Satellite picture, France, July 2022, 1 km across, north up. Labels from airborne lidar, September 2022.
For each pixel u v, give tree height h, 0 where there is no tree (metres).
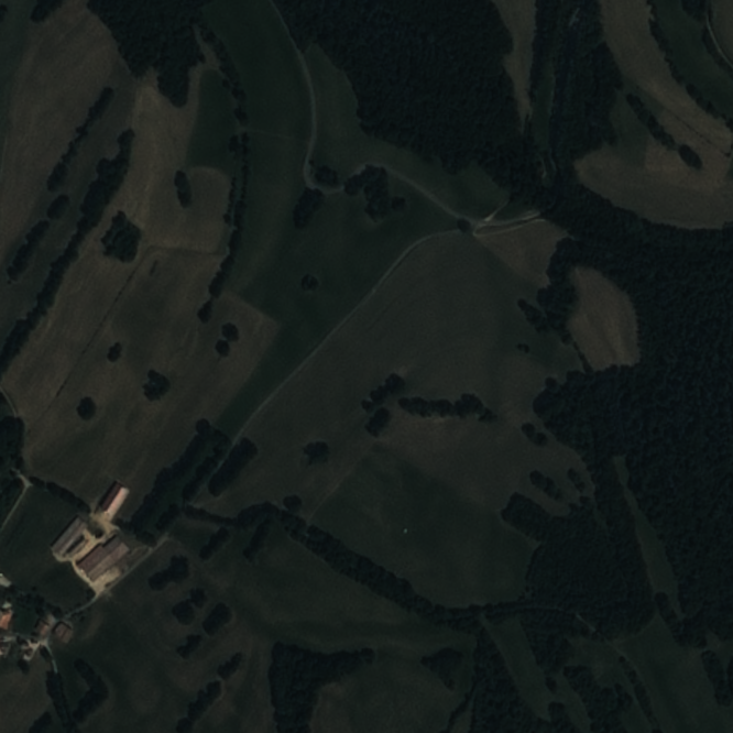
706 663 7
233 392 0
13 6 0
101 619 0
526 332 0
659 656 0
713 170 0
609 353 0
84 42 0
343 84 0
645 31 0
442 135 14
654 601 20
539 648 8
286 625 0
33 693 0
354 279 0
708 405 23
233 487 0
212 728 0
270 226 0
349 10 20
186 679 0
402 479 0
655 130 19
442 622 17
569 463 0
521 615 10
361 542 0
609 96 20
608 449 11
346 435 0
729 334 22
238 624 0
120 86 0
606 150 0
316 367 0
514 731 12
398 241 0
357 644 0
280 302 0
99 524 0
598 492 10
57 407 0
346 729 0
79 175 0
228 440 16
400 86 25
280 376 0
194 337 0
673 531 8
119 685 0
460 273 0
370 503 0
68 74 0
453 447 0
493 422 5
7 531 0
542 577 11
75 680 0
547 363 0
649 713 9
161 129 0
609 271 14
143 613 0
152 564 0
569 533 11
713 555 9
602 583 11
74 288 0
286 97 0
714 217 0
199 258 0
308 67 0
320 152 0
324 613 0
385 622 0
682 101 0
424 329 0
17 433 16
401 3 23
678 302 9
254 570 0
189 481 0
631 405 30
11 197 0
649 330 12
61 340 0
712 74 0
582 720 0
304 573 0
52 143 0
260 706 0
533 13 0
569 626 13
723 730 0
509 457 0
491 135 28
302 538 14
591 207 25
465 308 0
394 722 0
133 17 23
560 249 13
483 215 0
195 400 0
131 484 0
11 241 0
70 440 0
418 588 0
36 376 0
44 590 0
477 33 27
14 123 0
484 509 0
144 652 0
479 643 12
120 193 0
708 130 0
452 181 0
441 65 28
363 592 0
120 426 0
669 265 20
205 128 0
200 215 0
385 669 0
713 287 10
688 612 17
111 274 0
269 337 0
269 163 0
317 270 0
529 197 15
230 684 0
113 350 12
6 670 0
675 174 0
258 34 0
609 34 0
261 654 0
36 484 17
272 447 0
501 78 24
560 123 23
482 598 0
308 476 0
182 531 0
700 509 21
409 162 0
